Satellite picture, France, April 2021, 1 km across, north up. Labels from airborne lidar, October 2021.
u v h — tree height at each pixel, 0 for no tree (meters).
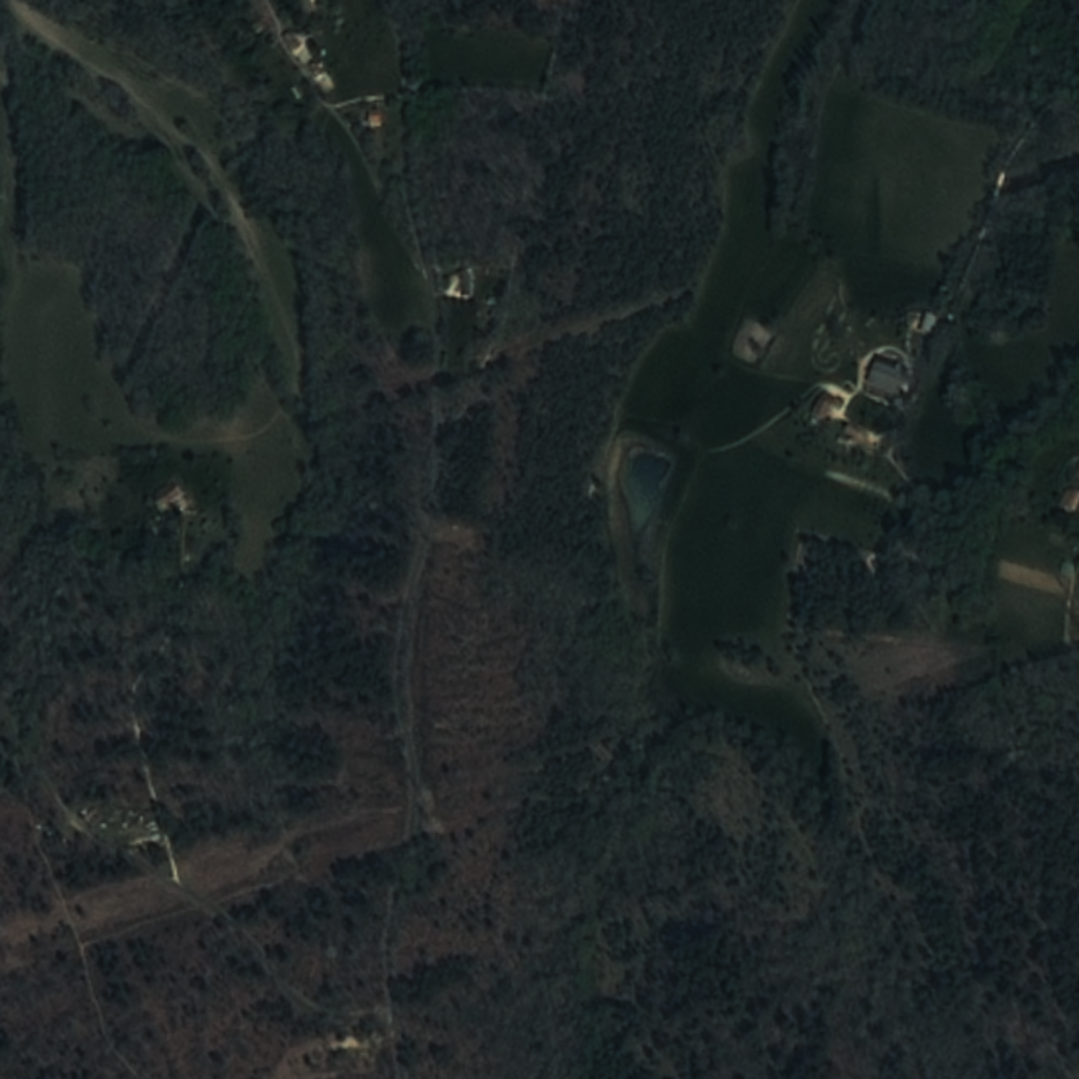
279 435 0
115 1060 8
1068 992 27
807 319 0
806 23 0
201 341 23
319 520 24
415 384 0
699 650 0
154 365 24
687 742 18
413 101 17
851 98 0
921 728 11
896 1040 27
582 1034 22
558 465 21
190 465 18
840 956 17
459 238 15
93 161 21
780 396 0
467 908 9
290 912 12
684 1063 15
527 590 13
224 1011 8
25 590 14
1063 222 26
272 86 9
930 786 15
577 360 19
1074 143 22
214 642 22
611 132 19
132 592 24
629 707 20
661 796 15
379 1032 12
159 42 19
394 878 22
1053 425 19
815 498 0
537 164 21
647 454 0
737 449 0
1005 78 11
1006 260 12
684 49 18
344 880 20
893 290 0
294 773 24
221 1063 13
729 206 0
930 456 0
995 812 17
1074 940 24
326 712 21
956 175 0
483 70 0
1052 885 22
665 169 23
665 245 16
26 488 24
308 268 21
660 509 0
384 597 23
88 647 13
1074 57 12
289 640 19
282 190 20
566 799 17
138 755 20
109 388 0
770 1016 23
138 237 18
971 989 15
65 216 24
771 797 13
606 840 19
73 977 8
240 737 20
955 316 9
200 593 22
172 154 11
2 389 16
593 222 13
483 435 19
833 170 0
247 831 22
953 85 14
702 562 0
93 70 0
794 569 12
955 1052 22
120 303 19
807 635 16
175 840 15
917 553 25
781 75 0
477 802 9
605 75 19
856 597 19
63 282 0
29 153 27
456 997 11
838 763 16
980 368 0
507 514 9
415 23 16
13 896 7
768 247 0
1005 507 22
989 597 18
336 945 10
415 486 18
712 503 0
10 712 15
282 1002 8
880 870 8
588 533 21
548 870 18
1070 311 0
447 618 6
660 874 14
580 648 24
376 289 0
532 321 18
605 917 10
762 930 11
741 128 20
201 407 23
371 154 17
